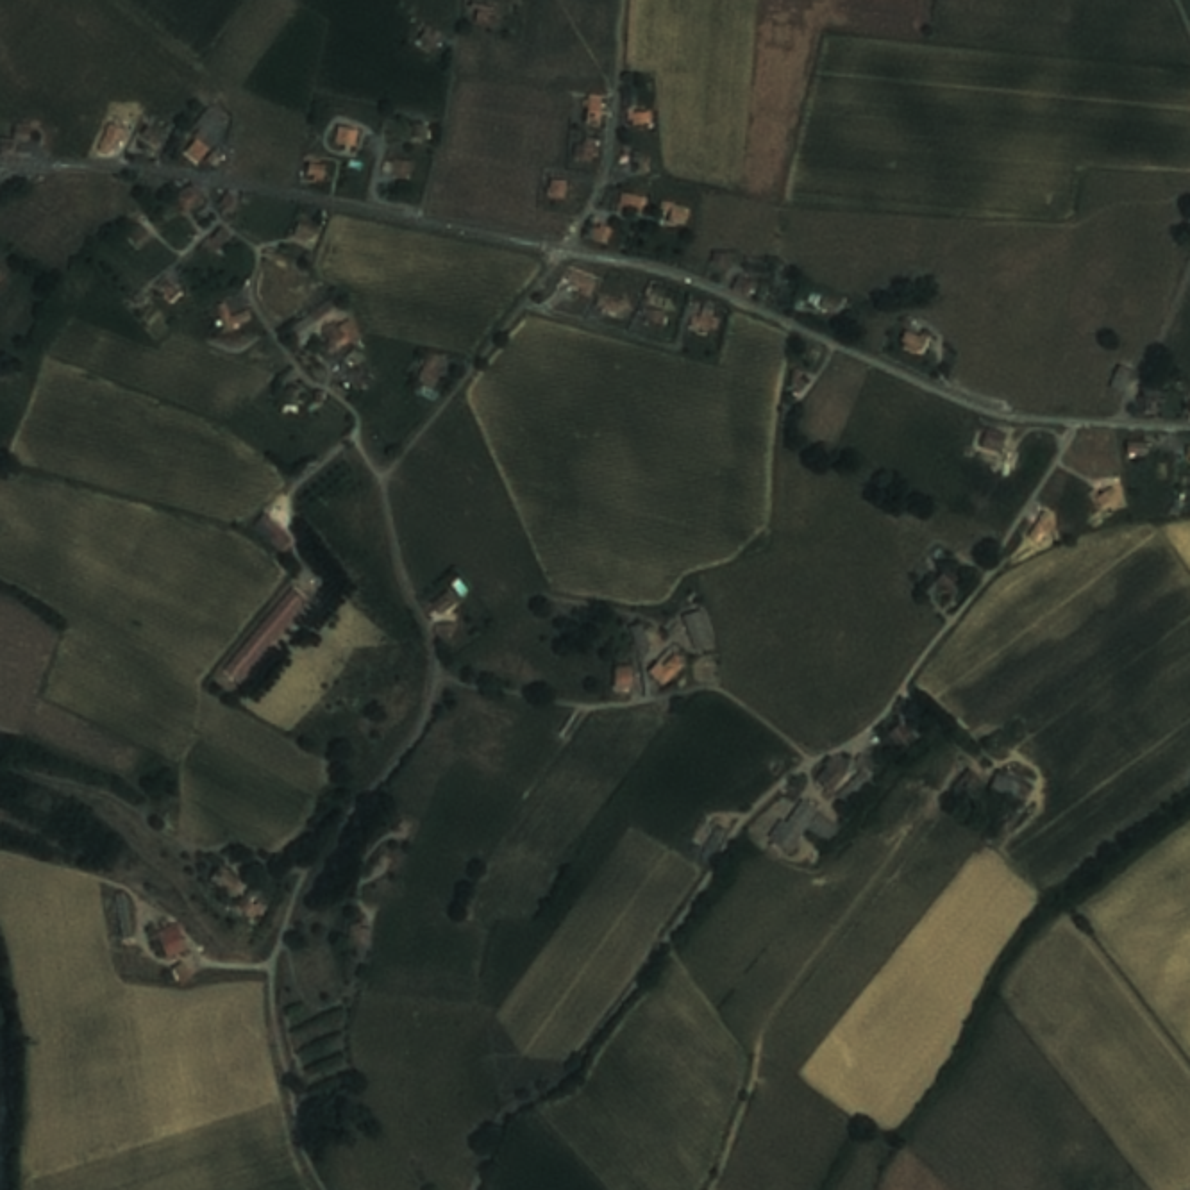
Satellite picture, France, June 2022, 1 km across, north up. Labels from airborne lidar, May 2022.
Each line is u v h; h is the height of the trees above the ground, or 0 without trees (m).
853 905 0
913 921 0
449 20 0
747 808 7
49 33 0
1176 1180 0
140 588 0
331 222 0
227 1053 0
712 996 0
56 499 0
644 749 0
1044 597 0
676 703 11
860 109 0
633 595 0
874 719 0
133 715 0
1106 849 12
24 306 0
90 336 0
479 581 0
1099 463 0
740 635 0
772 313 0
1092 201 0
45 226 0
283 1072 0
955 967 0
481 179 0
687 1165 0
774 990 0
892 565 0
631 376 0
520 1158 0
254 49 0
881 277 0
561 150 0
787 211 0
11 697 0
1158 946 0
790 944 0
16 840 14
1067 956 0
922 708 15
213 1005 0
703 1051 0
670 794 0
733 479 0
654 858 0
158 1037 0
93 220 0
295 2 0
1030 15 0
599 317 0
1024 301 0
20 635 0
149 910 0
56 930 0
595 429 0
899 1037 0
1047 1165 0
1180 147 0
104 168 0
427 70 0
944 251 0
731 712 0
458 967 0
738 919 0
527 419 0
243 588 0
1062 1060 0
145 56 0
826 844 9
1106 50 0
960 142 0
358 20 0
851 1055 0
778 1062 0
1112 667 0
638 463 0
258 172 0
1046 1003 0
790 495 0
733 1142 0
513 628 0
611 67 0
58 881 0
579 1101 0
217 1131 0
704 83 0
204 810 0
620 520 0
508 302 0
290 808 0
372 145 0
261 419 0
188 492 0
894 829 0
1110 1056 0
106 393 0
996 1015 0
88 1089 0
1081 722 0
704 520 0
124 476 0
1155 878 0
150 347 0
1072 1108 0
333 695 0
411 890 0
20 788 10
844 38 0
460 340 0
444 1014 0
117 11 0
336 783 15
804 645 0
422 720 0
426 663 0
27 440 0
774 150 0
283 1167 0
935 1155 0
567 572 0
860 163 0
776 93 0
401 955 0
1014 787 0
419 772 0
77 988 0
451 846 0
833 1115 0
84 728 0
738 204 0
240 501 0
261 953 0
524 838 0
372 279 0
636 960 0
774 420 0
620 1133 0
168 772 6
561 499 0
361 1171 0
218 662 0
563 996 0
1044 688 0
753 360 0
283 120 0
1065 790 0
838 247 0
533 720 0
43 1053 0
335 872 18
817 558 0
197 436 0
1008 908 0
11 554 0
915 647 0
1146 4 0
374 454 0
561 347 0
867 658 0
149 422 0
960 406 0
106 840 10
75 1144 0
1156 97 0
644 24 0
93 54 0
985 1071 0
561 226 0
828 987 0
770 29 0
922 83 0
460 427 0
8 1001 24
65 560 0
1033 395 0
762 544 0
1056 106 0
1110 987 0
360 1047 0
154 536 0
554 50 0
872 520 0
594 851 0
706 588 0
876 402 0
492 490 0
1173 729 0
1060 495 0
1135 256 0
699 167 0
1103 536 0
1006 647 0
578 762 0
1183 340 0
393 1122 0
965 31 0
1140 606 0
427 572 0
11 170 0
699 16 0
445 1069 0
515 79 0
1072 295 0
